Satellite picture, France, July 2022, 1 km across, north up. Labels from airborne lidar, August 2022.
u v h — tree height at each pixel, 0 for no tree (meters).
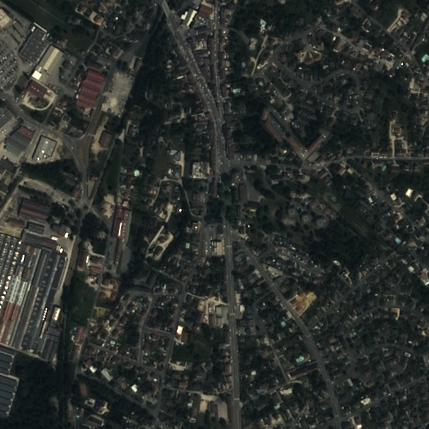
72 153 0
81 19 5
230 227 0
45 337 0
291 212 0
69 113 12
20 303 0
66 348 8
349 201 7
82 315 0
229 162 0
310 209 10
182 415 8
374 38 10
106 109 0
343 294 6
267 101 0
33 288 0
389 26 0
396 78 5
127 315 7
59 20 0
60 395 17
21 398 19
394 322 6
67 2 12
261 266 0
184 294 0
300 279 7
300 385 11
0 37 0
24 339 0
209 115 0
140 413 12
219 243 0
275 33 6
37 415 20
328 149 7
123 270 0
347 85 8
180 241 9
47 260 0
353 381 12
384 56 0
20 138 0
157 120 17
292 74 0
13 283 0
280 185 9
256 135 9
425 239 0
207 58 0
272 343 0
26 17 13
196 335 0
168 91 7
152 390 8
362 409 0
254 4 9
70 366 10
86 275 0
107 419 20
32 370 7
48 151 0
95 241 12
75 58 0
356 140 6
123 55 0
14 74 0
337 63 6
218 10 0
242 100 14
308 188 12
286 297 13
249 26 7
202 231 0
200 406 0
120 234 0
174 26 0
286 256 0
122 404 16
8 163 0
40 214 0
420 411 9
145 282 0
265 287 12
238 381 0
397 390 0
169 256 8
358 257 17
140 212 7
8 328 0
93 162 9
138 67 0
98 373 17
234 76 17
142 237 12
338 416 0
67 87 0
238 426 0
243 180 0
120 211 0
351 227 10
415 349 8
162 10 9
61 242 0
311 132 20
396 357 6
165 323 5
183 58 0
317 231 14
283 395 7
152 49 22
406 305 5
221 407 0
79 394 16
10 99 0
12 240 0
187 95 6
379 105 0
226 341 0
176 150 0
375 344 6
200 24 0
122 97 0
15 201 0
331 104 0
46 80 0
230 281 0
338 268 13
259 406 0
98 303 0
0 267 0
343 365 6
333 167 9
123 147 0
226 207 21
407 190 0
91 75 0
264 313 12
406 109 11
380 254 0
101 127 0
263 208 12
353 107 9
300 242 0
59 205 14
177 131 17
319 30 0
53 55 0
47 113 0
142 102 25
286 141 9
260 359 16
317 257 8
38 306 0
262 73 0
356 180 9
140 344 0
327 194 0
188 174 0
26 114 0
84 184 0
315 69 13
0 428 17
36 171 16
